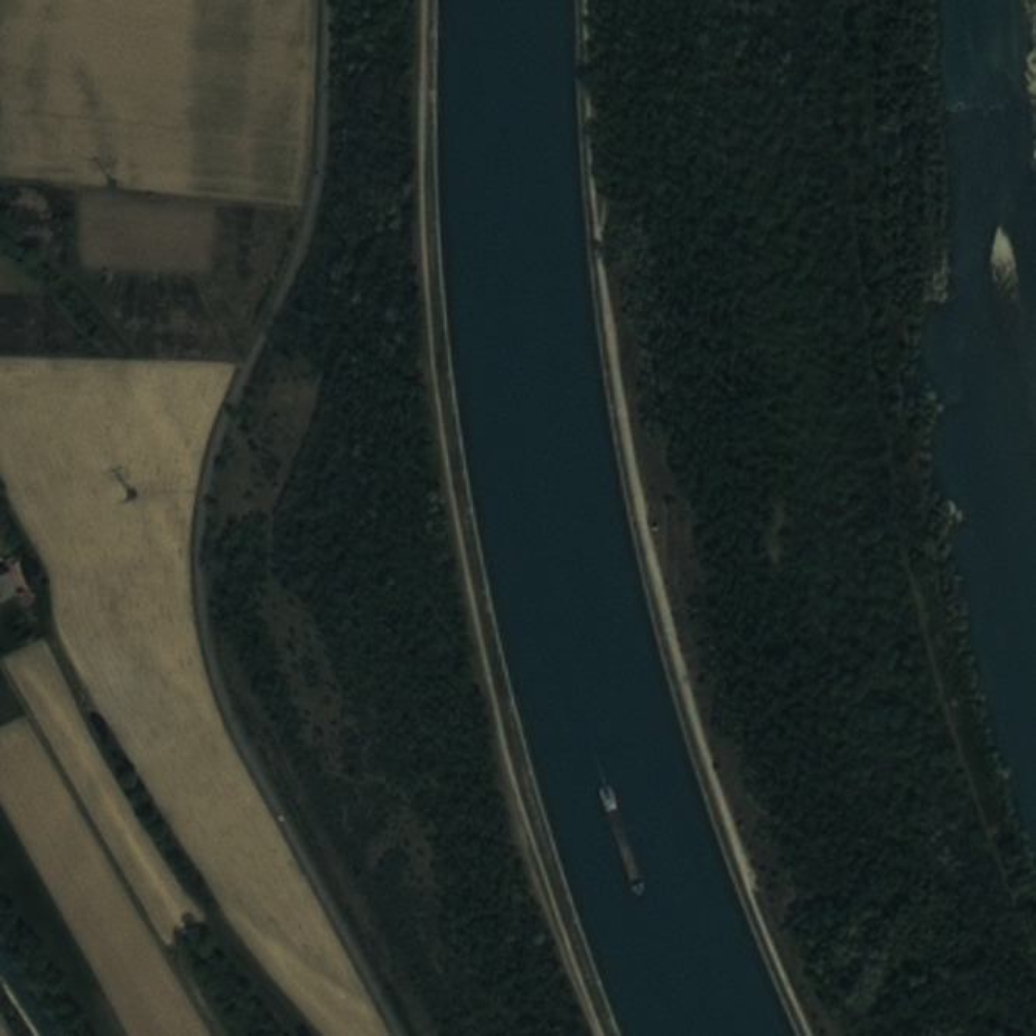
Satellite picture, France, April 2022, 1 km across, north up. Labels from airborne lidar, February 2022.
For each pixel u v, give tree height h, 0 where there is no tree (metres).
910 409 9
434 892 0
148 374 0
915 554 14
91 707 0
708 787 0
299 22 0
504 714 0
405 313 20
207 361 0
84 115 0
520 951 16
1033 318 0
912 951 13
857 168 14
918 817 15
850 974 13
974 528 0
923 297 10
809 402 12
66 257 0
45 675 0
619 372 0
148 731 0
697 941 0
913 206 16
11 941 10
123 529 0
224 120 0
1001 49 0
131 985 0
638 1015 0
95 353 0
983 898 16
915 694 16
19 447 0
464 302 0
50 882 0
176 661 0
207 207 0
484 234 0
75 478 0
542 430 0
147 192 0
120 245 0
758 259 18
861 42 37
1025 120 0
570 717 0
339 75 11
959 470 0
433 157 0
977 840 21
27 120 0
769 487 9
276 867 0
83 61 0
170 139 0
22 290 0
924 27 9
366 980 0
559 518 0
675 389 20
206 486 0
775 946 0
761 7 14
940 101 11
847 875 20
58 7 0
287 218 0
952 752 24
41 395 0
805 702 20
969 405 0
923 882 16
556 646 0
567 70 0
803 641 24
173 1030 0
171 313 0
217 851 0
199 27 0
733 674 16
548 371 0
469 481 0
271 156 0
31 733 0
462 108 0
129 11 0
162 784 0
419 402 19
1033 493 0
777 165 15
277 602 0
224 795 0
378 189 10
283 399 0
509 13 0
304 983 0
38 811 0
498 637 0
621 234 6
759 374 21
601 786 0
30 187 0
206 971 16
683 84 18
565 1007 15
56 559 0
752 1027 0
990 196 0
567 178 0
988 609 0
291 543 8
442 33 0
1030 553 0
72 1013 11
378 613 8
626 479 0
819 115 17
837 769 7
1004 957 19
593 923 0
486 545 0
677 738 0
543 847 0
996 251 0
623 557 0
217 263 0
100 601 0
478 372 0
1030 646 0
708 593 8
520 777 0
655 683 0
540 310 0
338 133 11
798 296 12
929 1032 26
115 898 0
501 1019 8
